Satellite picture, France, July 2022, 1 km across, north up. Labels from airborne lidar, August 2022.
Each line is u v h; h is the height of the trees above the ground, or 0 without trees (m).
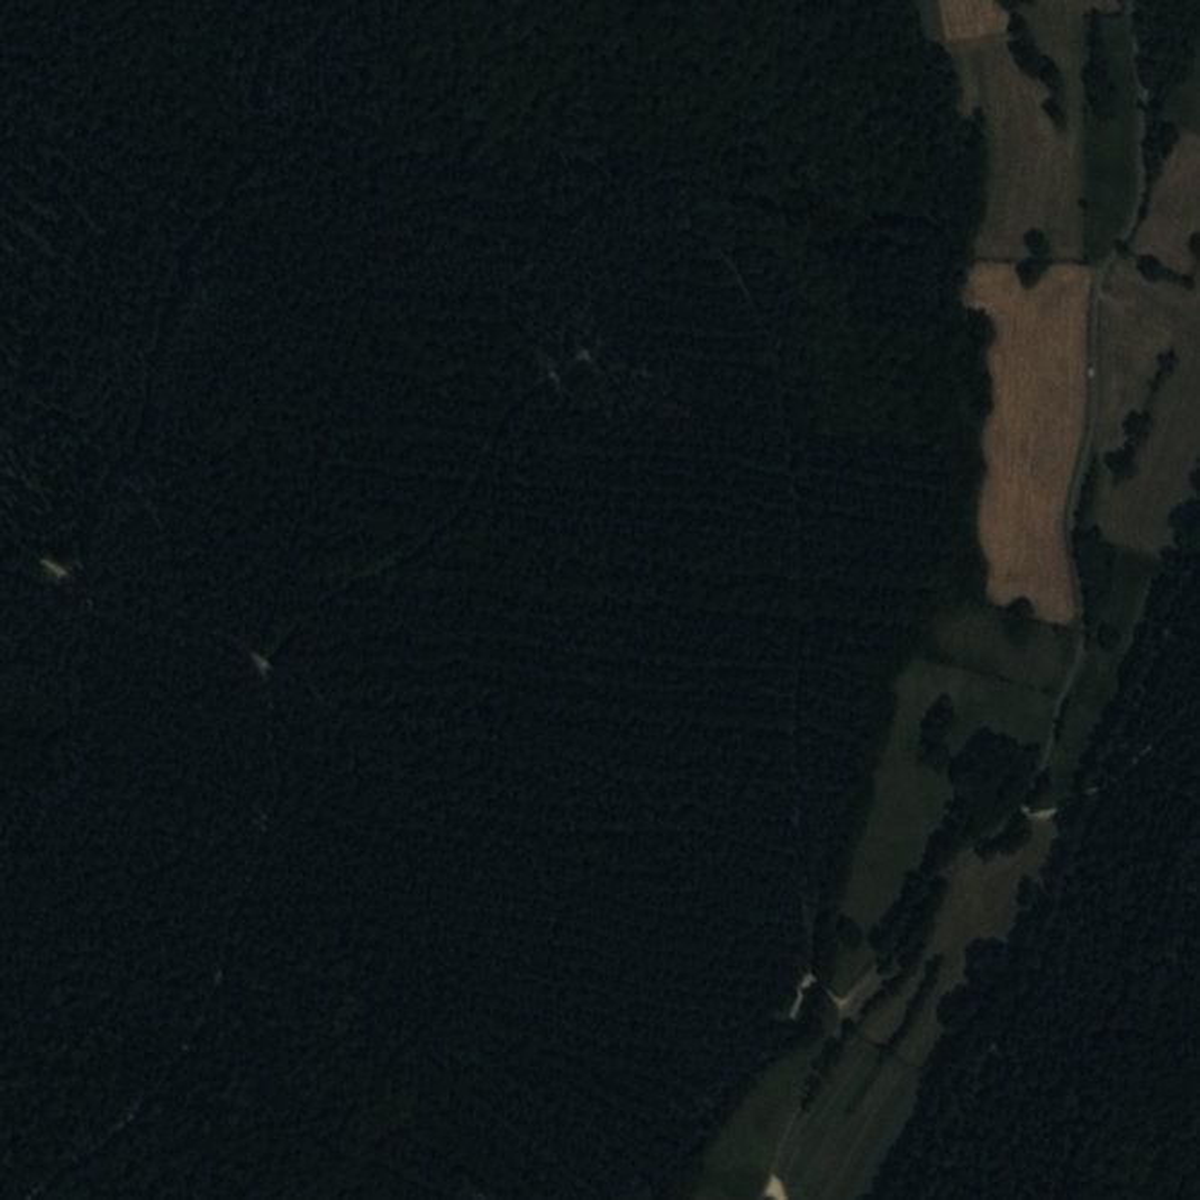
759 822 24
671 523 17
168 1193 11
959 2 0
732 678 26
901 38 26
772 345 15
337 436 16
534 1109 22
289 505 18
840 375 16
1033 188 0
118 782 20
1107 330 0
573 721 20
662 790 23
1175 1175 18
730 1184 0
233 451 16
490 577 17
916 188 24
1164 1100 20
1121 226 0
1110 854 21
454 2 20
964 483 18
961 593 19
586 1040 23
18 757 18
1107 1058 26
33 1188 9
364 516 17
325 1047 13
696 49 17
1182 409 0
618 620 19
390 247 19
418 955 23
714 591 23
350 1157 15
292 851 20
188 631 28
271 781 19
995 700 0
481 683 23
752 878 26
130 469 32
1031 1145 25
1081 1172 23
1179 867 17
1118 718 20
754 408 20
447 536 17
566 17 20
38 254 21
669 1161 24
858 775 21
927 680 0
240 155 11
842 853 19
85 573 7
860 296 20
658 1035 22
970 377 6
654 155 20
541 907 27
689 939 25
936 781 0
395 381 17
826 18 27
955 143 25
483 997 23
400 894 21
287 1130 16
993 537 0
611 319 20
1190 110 0
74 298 19
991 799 14
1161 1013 18
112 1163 16
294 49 31
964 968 0
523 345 16
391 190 17
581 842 21
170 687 21
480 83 20
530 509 17
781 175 18
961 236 25
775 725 15
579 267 31
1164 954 18
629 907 24
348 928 21
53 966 17
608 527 17
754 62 17
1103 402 0
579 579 18
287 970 16
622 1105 13
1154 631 11
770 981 26
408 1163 17
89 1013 15
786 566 18
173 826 17
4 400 18
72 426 29
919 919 22
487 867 26
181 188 18
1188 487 0
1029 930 21
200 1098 13
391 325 15
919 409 22
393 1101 17
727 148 7
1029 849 0
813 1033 17
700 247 17
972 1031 24
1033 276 16
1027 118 0
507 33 21
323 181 17
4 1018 18
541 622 22
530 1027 18
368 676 26
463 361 16
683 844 27
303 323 13
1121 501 0
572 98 20
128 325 30
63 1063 14
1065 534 0
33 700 17
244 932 21
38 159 23
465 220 18
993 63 0
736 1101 14
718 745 21
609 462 22
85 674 23
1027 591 0
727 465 22
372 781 22
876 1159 0
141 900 19
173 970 20
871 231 10
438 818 20
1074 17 0
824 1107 0
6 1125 12
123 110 10
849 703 15
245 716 20
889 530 20
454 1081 15
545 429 28
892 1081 0
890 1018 0
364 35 25
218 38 17
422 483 22
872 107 17
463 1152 14
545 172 9
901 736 0
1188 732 21
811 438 20
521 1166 19
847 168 24
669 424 21
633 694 20
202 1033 9
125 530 32
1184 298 0
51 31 15
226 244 19
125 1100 13
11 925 16
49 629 27
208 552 25
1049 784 15
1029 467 0
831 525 21
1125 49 0
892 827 0
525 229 20
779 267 10
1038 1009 27
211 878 19
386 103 23
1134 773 16
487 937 27
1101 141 0
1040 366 0
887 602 18
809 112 19
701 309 21
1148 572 0
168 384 26
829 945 17
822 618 24
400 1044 15
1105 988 26
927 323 22
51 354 18
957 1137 23
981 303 0
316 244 15
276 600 23
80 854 15
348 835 21
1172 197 0
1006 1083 30
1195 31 7
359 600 19
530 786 23
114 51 16
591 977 25
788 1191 0
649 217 25
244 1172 16
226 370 15
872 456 17
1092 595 14
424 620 21
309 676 16
